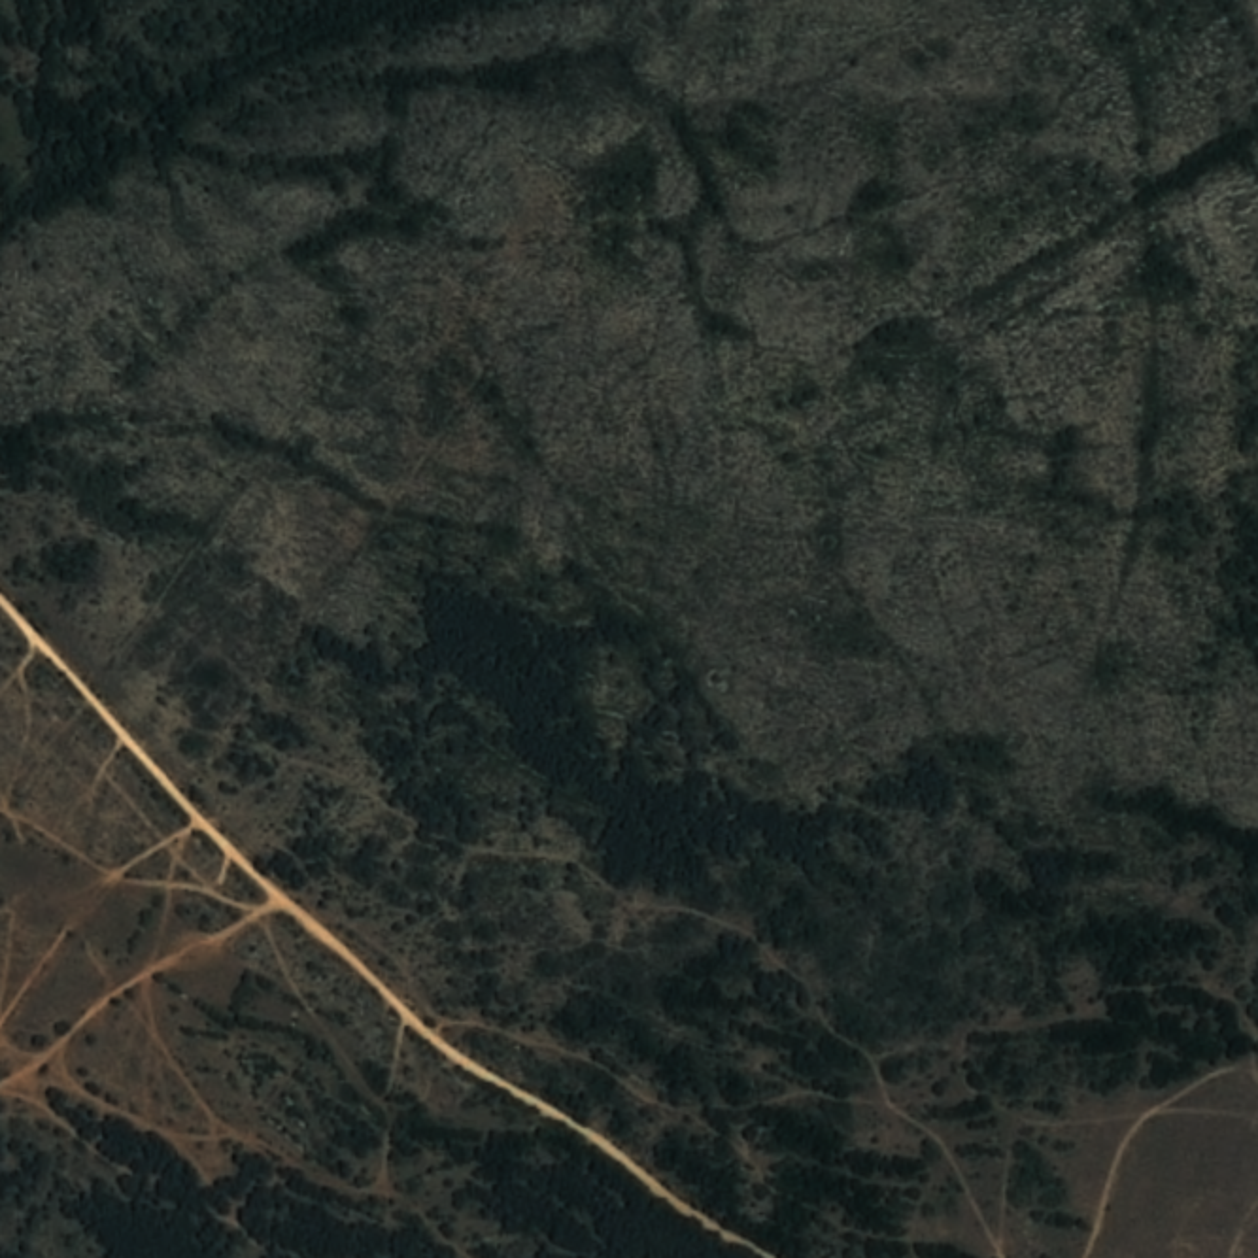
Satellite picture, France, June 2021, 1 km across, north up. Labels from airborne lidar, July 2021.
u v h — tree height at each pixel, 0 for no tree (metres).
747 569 0
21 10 9
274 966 0
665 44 0
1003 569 0
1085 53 0
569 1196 11
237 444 6
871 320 0
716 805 8
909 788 8
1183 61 0
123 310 0
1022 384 0
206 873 0
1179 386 0
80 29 7
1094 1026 7
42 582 8
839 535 0
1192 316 0
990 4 0
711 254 0
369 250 0
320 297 0
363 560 0
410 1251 11
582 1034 7
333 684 0
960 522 0
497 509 0
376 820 0
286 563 0
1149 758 0
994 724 0
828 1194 9
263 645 0
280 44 7
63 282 0
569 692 8
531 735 11
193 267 0
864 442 0
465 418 0
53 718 0
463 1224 0
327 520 0
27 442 8
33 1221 9
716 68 0
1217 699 0
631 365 0
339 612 0
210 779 0
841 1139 10
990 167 0
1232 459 0
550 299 0
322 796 7
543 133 0
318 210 0
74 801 0
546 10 0
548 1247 9
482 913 0
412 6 6
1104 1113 0
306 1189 14
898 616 0
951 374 0
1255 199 0
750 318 0
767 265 0
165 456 0
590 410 0
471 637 13
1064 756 0
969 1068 10
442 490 0
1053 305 0
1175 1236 0
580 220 0
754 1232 9
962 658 0
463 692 9
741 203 0
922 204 0
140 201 0
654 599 0
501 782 0
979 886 9
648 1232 16
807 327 0
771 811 11
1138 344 0
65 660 0
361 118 0
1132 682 0
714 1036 9
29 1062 0
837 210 0
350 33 9
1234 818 0
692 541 0
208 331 0
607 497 0
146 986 0
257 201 0
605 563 0
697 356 0
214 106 6
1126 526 0
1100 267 0
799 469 0
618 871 8
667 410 0
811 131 0
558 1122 7
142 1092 0
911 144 0
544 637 9
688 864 9
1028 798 0
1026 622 0
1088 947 8
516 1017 7
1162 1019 9
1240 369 7
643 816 11
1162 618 0
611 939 0
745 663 0
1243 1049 15
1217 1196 0
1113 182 0
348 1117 7
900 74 0
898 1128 0
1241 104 0
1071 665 0
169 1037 0
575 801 0
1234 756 0
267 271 0
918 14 0
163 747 0
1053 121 0
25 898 0
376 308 0
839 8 0
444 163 0
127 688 0
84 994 0
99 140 12
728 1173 7
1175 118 0
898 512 0
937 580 0
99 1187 9
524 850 0
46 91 10
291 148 0
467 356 0
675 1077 8
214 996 0
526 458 0
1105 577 0
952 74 0
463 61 0
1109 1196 0
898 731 0
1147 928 7
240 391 0
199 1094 0
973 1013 7
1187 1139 0
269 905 0
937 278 6
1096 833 0
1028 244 0
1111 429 0
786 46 0
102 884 0
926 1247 8
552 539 0
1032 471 0
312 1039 8
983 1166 0
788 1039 8
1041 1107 8
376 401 0
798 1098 0
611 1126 6
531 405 0
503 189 0
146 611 0
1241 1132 0
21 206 8
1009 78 0
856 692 0
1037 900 6
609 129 0
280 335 0
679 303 0
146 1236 12
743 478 0
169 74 8
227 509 0
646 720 9
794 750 0
